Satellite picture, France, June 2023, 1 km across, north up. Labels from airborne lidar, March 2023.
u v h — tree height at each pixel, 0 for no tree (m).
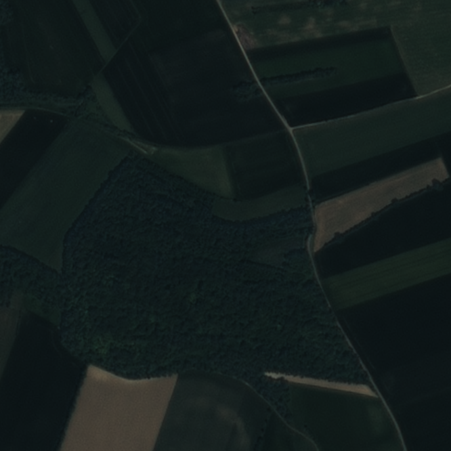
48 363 0
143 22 0
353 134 0
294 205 0
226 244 18
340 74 0
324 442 0
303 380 0
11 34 0
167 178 11
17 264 25
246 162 0
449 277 0
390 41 0
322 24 0
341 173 0
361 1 0
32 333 0
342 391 0
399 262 0
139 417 0
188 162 0
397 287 0
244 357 18
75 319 16
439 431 0
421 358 0
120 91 0
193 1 0
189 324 13
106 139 0
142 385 0
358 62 0
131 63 0
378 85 0
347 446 0
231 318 21
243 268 12
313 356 15
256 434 0
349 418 0
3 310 0
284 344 10
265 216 0
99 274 14
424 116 0
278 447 0
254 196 0
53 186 0
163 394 0
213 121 0
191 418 0
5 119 0
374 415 0
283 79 12
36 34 0
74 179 0
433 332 0
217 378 0
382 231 0
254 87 8
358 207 0
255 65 0
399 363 0
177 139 0
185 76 0
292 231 6
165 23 0
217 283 22
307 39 0
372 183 0
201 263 24
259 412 0
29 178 0
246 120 0
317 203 0
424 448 0
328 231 0
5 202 0
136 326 25
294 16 0
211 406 0
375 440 0
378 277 0
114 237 27
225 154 0
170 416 0
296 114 0
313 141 0
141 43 0
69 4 0
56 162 0
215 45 0
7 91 17
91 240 24
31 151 0
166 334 21
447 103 0
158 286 25
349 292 0
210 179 0
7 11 12
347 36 0
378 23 0
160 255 28
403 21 0
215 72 0
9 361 0
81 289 20
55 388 0
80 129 0
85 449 0
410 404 0
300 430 0
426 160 0
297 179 0
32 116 0
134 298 22
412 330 0
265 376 7
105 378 0
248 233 23
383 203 0
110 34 0
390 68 0
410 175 0
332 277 0
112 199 22
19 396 0
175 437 0
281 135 0
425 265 0
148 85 0
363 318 0
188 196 26
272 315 18
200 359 15
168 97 0
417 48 0
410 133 0
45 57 0
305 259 17
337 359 17
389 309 0
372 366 0
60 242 0
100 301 18
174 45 0
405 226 0
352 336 0
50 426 0
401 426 0
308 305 19
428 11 0
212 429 0
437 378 0
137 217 28
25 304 0
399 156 0
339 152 0
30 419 0
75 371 0
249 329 22
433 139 0
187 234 16
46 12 0
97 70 0
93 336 14
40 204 0
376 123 0
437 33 0
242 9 0
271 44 0
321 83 0
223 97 0
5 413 0
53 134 0
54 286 21
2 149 0
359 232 0
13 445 0
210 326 14
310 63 0
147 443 0
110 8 0
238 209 0
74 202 0
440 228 0
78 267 21
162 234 31
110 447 0
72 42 0
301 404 0
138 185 20
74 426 0
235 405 0
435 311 0
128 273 25
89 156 0
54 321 0
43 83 0
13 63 0
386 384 0
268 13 0
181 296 26
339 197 0
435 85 0
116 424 0
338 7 0
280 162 0
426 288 0
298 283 16
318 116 0
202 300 23
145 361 10
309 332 18
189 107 0
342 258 0
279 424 0
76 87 0
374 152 0
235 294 22
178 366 19
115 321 28
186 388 0
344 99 0
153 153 0
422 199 0
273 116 0
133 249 28
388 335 0
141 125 0
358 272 0
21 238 0
